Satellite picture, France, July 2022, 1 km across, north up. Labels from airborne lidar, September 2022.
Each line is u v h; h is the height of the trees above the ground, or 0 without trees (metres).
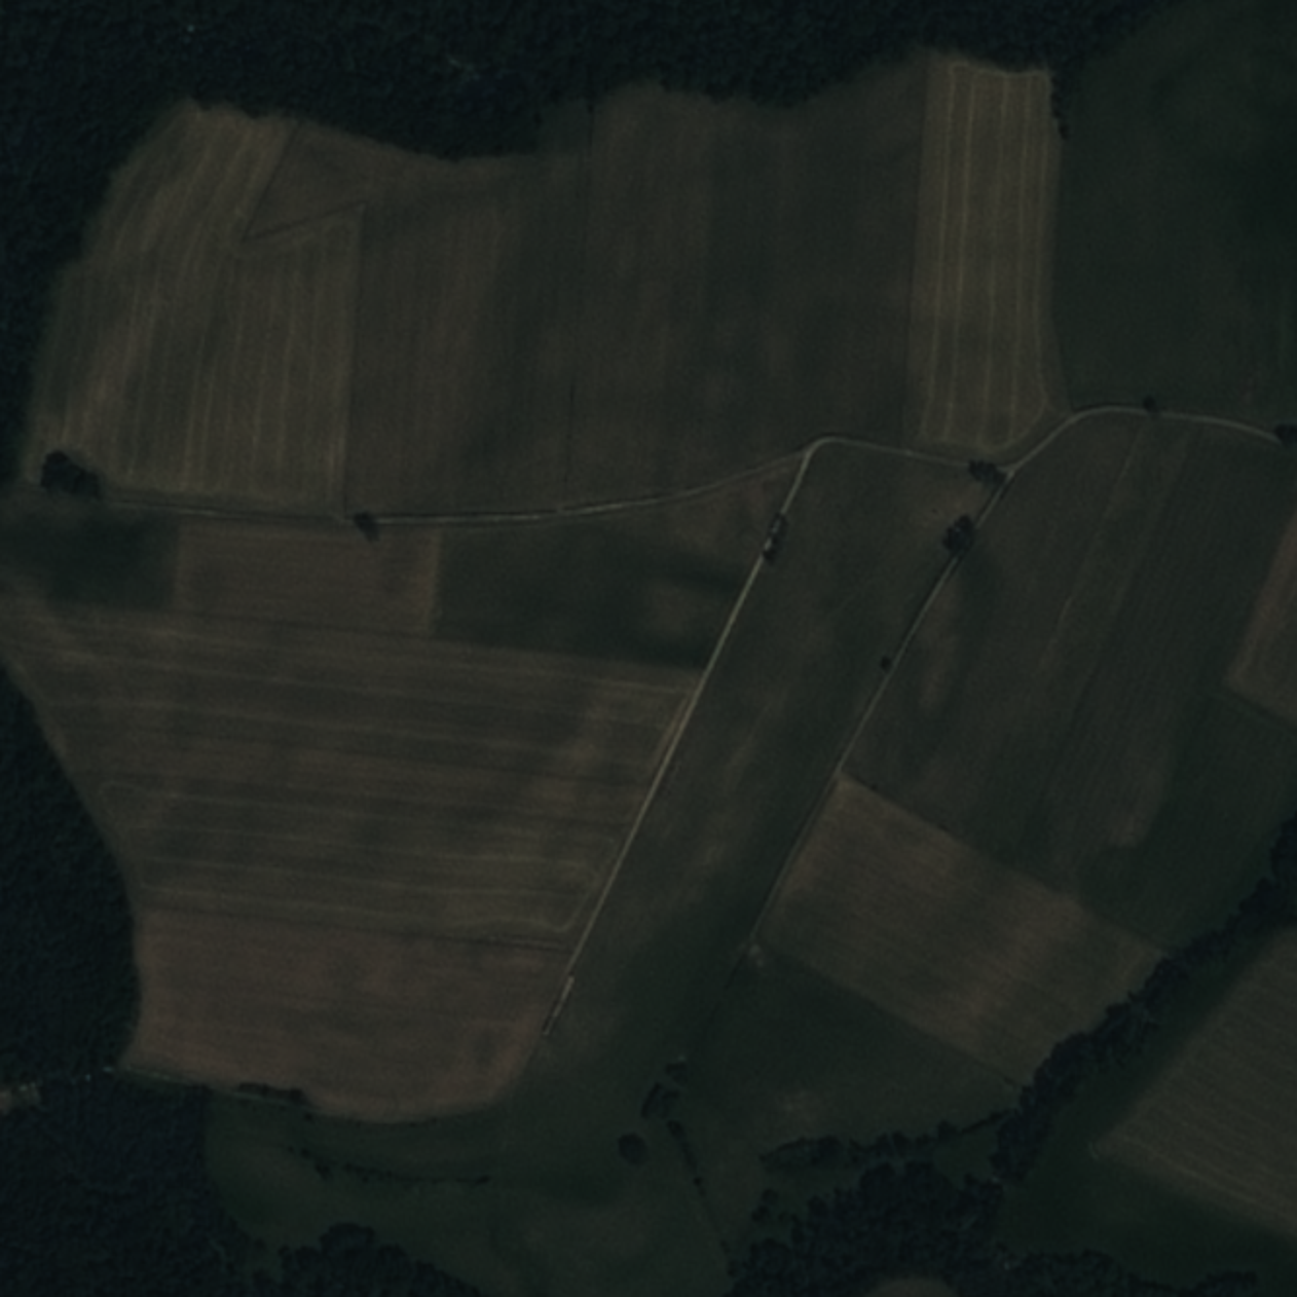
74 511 0
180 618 0
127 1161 23
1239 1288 20
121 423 0
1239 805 0
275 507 0
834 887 0
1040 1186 0
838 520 0
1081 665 0
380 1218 0
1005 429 0
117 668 0
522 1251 0
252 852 0
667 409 0
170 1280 22
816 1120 0
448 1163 0
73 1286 22
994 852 0
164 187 0
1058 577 0
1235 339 0
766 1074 0
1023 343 0
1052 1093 26
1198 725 0
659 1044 0
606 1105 0
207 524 0
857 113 0
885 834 0
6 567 0
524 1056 0
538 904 0
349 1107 0
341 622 0
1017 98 0
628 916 0
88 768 0
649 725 0
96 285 0
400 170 0
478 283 0
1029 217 0
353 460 0
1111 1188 0
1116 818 0
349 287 0
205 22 15
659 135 0
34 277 23
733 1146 0
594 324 0
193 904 0
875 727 0
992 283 0
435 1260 0
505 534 0
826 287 0
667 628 0
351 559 0
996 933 0
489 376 0
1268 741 0
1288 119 0
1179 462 0
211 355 0
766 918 0
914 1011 0
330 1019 0
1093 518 0
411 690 0
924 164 0
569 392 0
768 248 0
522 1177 0
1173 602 0
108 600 0
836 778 0
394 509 0
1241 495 0
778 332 0
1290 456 0
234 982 0
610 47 19
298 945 0
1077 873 0
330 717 0
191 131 0
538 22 16
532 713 0
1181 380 0
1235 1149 0
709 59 22
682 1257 0
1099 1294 23
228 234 0
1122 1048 23
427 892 0
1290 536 0
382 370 0
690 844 0
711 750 0
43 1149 24
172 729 0
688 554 0
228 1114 0
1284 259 0
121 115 10
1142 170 0
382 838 0
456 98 23
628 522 0
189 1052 0
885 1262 23
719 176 0
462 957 0
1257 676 0
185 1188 23
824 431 0
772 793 0
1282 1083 0
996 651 0
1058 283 0
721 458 0
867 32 22
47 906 20
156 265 0
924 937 0
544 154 0
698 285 0
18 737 20
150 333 0
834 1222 21
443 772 0
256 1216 0
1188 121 0
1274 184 0
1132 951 0
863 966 0
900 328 0
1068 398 0
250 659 0
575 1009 0
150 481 0
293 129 0
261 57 26
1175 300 0
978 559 0
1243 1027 0
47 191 25
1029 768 0
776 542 11
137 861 0
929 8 26
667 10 27
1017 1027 0
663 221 0
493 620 0
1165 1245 0
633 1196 0
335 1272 18
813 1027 0
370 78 27
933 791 0
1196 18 0
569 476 0
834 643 0
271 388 0
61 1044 18
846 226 0
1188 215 0
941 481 0
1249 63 0
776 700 0
